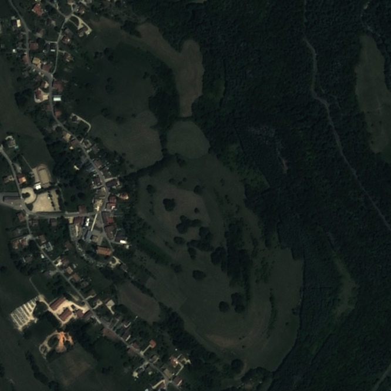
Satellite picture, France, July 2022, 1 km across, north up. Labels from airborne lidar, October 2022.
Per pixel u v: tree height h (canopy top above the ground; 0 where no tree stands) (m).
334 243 21
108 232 0
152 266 0
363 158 23
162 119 12
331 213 33
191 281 0
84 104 0
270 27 25
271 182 22
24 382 0
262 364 0
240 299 20
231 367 6
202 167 0
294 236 24
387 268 29
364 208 24
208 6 21
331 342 20
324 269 8
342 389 18
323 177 32
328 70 27
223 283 0
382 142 0
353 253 24
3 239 0
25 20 0
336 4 23
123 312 11
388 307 26
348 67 18
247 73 28
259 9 18
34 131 0
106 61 0
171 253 0
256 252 9
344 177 27
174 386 0
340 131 25
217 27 24
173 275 0
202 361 17
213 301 0
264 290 0
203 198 0
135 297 0
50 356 7
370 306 13
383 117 0
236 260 22
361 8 11
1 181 0
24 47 7
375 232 21
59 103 12
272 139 20
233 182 0
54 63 6
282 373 17
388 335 26
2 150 0
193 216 0
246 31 30
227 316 0
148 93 0
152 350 8
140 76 0
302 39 19
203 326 0
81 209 0
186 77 0
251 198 19
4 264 0
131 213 9
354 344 34
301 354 15
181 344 20
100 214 0
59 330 10
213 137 23
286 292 0
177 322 19
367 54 0
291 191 20
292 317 0
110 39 0
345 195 25
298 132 29
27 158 0
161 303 13
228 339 0
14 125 0
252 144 18
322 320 14
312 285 12
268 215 23
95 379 0
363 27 13
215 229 0
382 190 29
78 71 0
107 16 11
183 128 0
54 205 6
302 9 19
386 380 10
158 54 0
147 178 0
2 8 0
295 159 28
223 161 6
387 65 16
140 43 0
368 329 32
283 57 22
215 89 6
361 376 8
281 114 37
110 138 0
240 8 16
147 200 0
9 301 0
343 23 12
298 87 17
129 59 0
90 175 6
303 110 19
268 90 29
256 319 0
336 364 21
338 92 17
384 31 12
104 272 18
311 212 25
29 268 6
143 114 0
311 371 23
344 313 8
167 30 7
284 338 0
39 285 0
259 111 32
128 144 0
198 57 0
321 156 17
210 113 16
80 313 0
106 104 0
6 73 0
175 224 0
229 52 26
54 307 0
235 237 9
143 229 8
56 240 6
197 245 12
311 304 11
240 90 17
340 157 22
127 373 0
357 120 17
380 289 26
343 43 15
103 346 0
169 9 15
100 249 0
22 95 16
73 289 0
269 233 20
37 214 0
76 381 0
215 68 17
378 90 0
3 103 0
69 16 0
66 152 12
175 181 9
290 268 0
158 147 0
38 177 0
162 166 20
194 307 0
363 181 21
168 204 23
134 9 8
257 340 0
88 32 0
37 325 0
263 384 9
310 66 22
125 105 0
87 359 0
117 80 0
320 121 18
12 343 0
